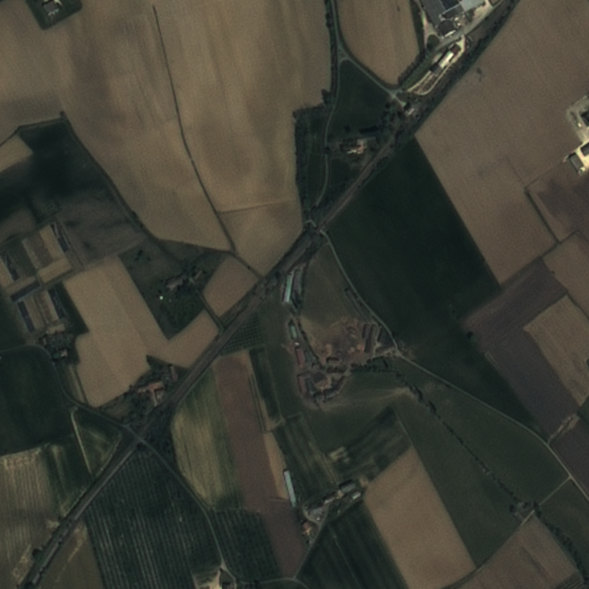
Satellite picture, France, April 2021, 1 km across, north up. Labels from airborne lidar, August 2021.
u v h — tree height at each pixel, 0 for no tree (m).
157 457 9
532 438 0
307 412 0
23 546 0
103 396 0
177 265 0
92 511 8
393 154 0
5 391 0
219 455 0
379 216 0
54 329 0
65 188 0
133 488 7
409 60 0
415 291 0
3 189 0
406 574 0
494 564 0
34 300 0
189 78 0
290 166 0
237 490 0
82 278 0
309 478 0
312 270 0
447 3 0
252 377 0
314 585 0
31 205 0
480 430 0
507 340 0
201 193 0
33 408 0
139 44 0
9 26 0
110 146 0
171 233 0
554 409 0
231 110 0
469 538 0
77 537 0
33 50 0
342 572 0
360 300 8
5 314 0
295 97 0
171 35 0
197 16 0
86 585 0
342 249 0
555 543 0
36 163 0
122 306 0
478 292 0
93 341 0
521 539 0
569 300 0
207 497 0
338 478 0
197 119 0
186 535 9
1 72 0
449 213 0
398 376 6
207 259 0
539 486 0
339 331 0
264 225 0
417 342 0
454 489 0
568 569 0
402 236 0
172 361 0
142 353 0
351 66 0
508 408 0
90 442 0
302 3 0
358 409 0
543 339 0
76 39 0
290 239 0
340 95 0
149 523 8
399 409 0
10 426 0
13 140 0
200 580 0
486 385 0
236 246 0
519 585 0
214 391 0
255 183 0
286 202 0
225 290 0
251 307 0
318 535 0
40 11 0
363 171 0
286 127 0
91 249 0
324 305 0
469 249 0
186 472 0
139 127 0
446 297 0
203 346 0
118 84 0
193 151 0
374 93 0
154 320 0
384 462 0
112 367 0
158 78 0
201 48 0
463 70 7
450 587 0
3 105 0
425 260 0
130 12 0
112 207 0
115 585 9
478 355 0
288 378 0
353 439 0
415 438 0
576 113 0
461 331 0
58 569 0
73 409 0
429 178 0
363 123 0
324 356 0
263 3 0
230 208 0
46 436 0
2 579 0
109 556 9
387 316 0
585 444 0
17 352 0
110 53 0
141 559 10
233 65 0
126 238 0
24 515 0
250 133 0
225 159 0
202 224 0
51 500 0
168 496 7
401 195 0
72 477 0
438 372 0
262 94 0
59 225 0
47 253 0
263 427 0
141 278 0
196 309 0
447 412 0
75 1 0
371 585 0
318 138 0
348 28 0
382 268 0
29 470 0
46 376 0
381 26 0
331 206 12
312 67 0
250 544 10
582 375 0
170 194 0
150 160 0
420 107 0
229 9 0
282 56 0
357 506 0
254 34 0
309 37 0
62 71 0
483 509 0
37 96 0
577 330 0
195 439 0
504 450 0
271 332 0
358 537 0
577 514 0
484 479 0
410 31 0
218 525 8
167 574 8
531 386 0
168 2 0
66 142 0
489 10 0
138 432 14
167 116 0
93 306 0
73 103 0
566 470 0
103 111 0
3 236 0
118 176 0
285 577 0
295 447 0
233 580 0
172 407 12
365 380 0
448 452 0
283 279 17
